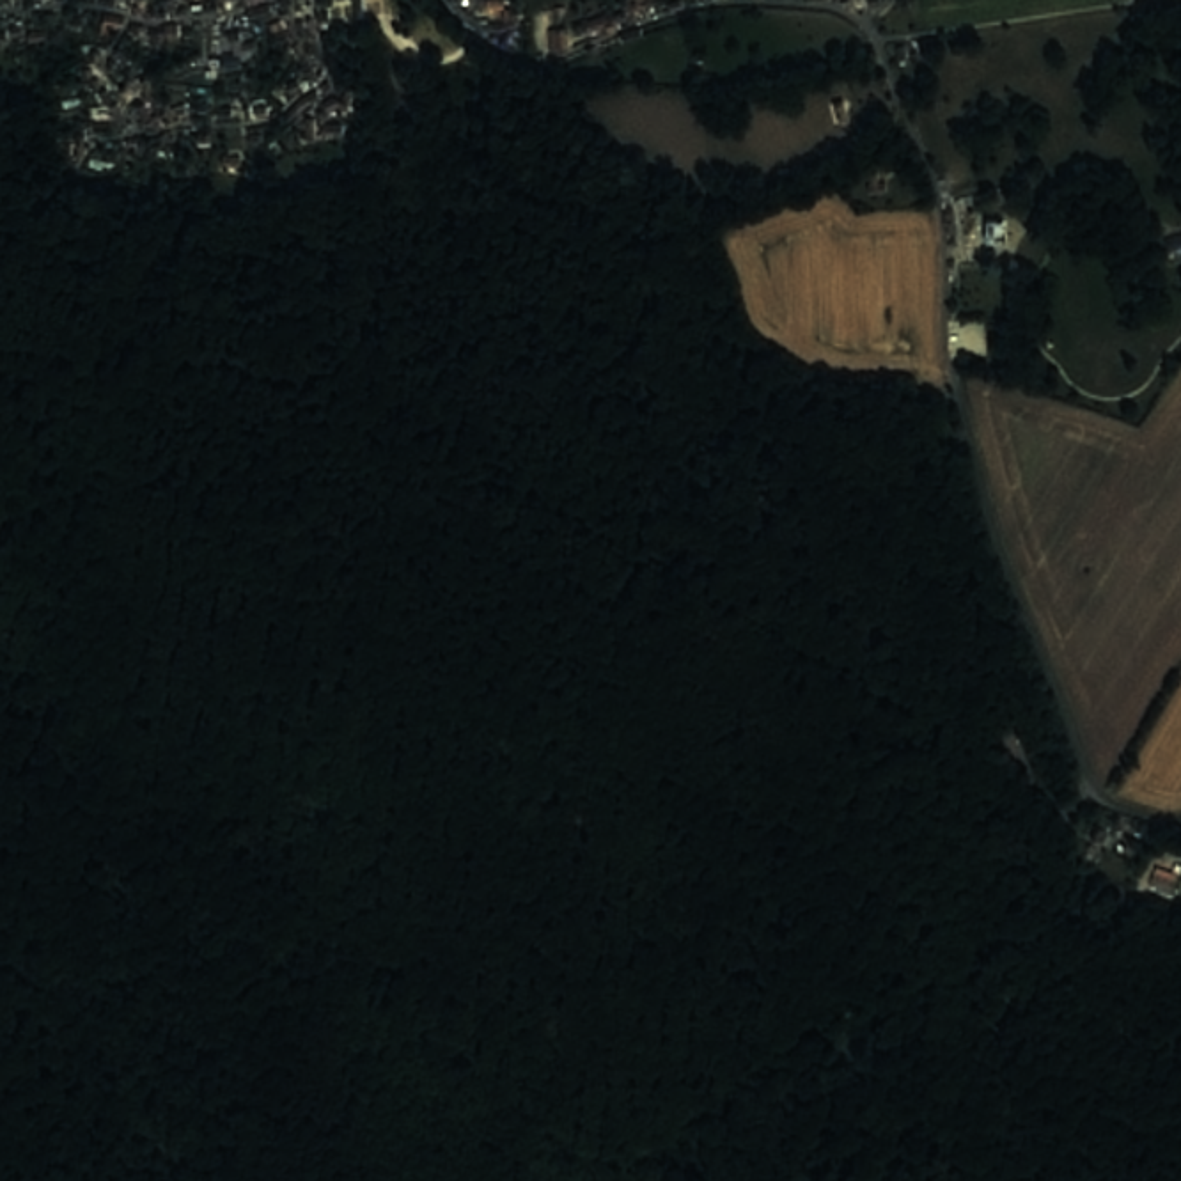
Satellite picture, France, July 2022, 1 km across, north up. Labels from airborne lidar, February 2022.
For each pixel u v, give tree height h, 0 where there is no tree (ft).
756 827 99
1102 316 0
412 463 80
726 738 80
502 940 86
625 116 0
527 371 94
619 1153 64
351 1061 67
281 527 66
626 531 70
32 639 73
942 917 74
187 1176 77
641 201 74
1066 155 0
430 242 99
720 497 85
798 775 93
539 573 80
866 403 83
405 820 75
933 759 78
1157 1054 41
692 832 84
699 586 75
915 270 0
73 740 61
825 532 99
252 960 80
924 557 98
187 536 71
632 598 90
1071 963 71
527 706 72
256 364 73
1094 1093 60
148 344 82
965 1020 68
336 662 78
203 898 77
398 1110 69
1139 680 0
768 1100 85
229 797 80
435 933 79
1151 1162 54
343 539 61
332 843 64
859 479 86
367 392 81
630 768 70
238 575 78
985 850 81
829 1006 90
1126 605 0
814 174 65
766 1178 95
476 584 75
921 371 0
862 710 70
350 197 77
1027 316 85
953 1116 88
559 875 78
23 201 80
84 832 87
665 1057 79
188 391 74
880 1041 66
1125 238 83
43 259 73
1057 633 0
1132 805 0
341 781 77
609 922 84
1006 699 66
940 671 95
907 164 39
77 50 23
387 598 70
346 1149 71
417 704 65
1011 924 75
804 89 75
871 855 79
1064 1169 88
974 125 58
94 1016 95
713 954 95
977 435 0
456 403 98
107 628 87
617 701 82
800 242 0
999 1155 82
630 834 79
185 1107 99
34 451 58
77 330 69
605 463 77
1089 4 0
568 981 86
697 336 87
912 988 61
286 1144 68
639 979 92
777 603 85
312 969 66
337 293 93
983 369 66
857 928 98
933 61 59
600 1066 79
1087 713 0
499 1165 70
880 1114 77
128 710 89
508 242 91
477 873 75
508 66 65
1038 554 0
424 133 76
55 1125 96
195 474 75
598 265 86
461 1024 77
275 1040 94
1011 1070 77
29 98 75
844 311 0
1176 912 63
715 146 0
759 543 92
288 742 76
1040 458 0
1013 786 77
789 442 100
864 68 51
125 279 83
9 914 79
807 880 79
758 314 0
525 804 87
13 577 72
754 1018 77
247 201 75
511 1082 78
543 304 102
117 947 85
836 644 73
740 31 0
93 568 87
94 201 90
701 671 73
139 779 87
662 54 0
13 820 79
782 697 89
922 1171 83
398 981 75
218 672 90
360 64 53
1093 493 0
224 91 28
